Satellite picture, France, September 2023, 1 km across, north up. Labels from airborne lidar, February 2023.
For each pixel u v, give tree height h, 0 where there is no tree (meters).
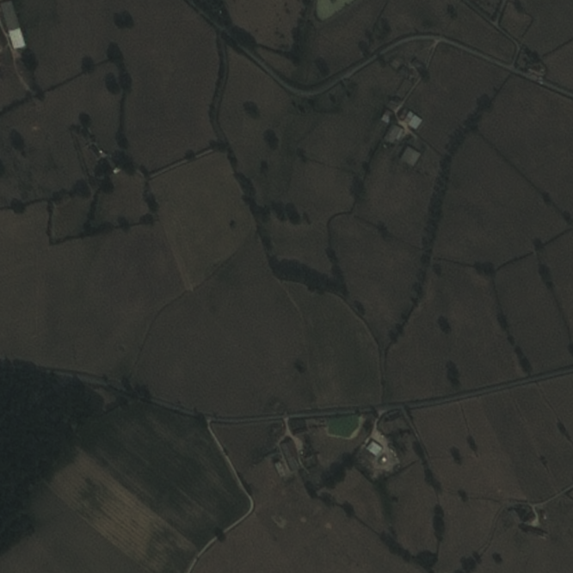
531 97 0
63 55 0
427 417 0
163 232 0
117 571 0
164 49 0
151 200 21
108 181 19
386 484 0
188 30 0
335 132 0
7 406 24
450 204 0
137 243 0
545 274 18
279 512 0
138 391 12
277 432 0
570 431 0
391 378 0
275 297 0
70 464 0
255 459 0
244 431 0
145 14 0
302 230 0
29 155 0
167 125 0
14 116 0
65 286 0
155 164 0
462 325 0
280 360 0
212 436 0
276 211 20
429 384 0
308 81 0
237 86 0
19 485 35
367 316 0
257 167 0
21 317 0
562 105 0
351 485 0
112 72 0
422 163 0
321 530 0
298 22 10
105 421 0
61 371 0
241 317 0
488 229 0
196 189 0
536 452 0
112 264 0
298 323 0
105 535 0
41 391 24
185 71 0
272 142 19
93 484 0
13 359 0
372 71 0
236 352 0
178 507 0
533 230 0
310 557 0
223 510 0
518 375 0
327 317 0
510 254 0
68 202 0
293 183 0
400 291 0
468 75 0
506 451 0
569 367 0
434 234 10
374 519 0
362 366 0
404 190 0
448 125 0
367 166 11
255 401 0
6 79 0
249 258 0
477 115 10
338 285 13
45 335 0
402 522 0
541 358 0
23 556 0
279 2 0
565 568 0
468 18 0
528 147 0
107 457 0
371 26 0
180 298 0
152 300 0
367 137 0
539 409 0
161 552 0
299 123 0
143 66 0
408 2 0
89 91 0
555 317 0
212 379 0
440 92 0
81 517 0
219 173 0
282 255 0
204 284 0
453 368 17
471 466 0
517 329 0
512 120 0
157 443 0
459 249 0
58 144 0
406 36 0
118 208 0
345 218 0
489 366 0
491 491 0
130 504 0
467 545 0
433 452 0
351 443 0
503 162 0
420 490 0
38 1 0
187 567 0
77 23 0
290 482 0
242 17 0
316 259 0
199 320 0
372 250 0
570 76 0
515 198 0
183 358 0
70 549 0
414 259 0
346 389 0
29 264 0
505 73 0
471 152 0
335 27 0
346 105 0
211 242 0
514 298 0
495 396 0
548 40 0
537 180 0
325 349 0
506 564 0
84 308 0
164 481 0
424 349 0
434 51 0
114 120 0
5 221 0
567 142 0
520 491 0
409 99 0
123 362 0
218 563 0
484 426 0
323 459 0
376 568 0
